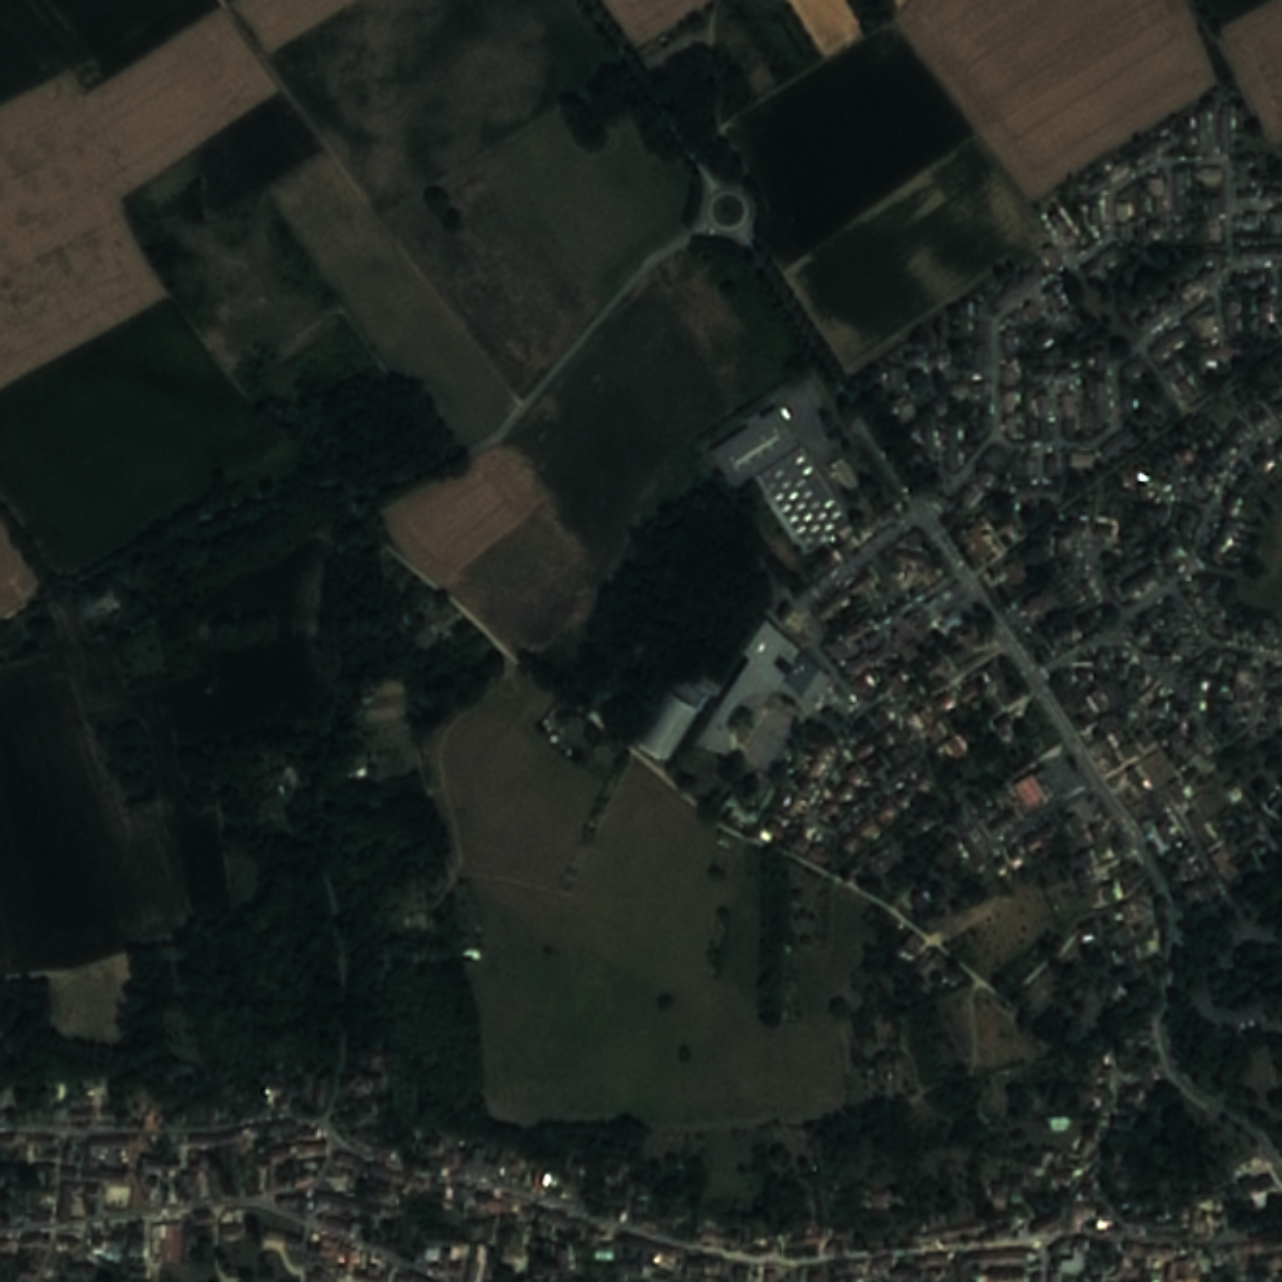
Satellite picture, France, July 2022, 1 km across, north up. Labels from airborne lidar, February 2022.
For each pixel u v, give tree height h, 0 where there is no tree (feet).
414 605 28
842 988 0
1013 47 0
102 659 0
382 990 29
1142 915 0
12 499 0
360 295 0
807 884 0
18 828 0
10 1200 47
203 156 0
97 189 0
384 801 60
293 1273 0
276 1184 0
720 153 48
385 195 0
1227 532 0
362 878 34
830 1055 0
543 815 0
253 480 0
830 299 0
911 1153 23
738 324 0
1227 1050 59
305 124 0
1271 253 0
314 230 0
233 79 0
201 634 0
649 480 0
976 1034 0
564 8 0
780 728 0
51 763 0
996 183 0
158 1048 37
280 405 51
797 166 0
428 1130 23
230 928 46
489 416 0
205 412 0
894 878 45
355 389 31
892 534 0
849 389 40
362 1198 35
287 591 0
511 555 0
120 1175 0
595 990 0
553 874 0
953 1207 33
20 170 0
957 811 36
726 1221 20
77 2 0
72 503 0
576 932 0
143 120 0
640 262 0
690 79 64
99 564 21
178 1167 0
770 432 0
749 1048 0
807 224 0
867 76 0
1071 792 0
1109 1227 0
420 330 0
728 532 53
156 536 52
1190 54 0
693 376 0
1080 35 0
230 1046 51
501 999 0
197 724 0
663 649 35
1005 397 0
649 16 0
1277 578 0
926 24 0
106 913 0
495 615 0
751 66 0
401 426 57
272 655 0
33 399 0
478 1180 0
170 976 46
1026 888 0
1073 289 44
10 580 0
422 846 72
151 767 29
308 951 60
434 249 0
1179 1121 66
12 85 0
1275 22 0
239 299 0
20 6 0
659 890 0
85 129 0
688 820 0
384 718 0
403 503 0
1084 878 0
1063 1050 24
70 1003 0
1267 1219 30
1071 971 35
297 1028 59
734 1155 0
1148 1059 40
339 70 0
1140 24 0
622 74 62
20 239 0
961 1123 19
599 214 0
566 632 0
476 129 0
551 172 0
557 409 0
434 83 0
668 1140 0
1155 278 43
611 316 0
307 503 23
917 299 0
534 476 0
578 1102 0
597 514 0
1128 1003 35
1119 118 0
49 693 0
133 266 0
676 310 0
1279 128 0
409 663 58
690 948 0
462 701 55
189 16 0
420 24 0
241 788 21
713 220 0
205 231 0
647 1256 0
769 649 0
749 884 0
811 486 0
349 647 67
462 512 0
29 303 0
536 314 0
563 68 0
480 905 0
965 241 0
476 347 0
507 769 0
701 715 35
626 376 0
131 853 0
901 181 0
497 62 0
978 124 0
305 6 0
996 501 51
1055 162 0
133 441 0
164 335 0
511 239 0
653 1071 0
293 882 68
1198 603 0
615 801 0
